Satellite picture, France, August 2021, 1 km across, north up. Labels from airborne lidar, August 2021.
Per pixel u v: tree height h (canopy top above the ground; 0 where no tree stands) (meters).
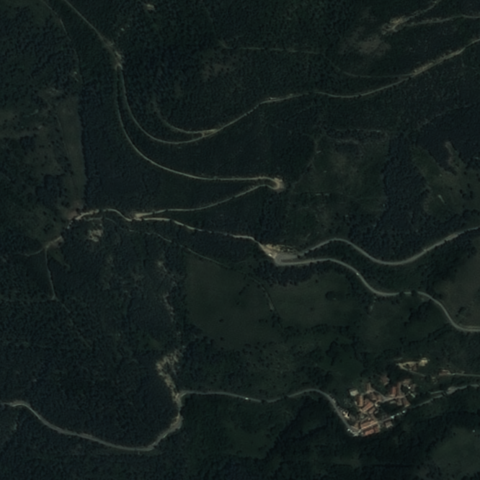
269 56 6
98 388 24
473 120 18
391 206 17
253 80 12
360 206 6
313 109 9
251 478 21
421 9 8
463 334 8
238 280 0
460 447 0
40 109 9
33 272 10
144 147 9
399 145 12
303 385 6
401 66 7
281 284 12
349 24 8
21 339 28
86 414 29
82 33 8
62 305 19
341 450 9
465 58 7
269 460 10
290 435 22
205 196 6
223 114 6
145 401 19
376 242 16
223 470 14
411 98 6
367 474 17
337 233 8
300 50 7
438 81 7
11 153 18
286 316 0
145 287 9
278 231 18
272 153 7
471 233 19
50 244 0
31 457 14
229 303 0
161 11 9
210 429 17
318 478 8
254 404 7
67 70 11
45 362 23
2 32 13
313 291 0
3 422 18
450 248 16
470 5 7
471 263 0
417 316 9
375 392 8
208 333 0
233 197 7
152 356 15
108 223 8
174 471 11
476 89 7
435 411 8
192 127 9
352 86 6
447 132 18
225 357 15
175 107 6
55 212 12
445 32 7
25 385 27
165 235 7
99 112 15
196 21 12
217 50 14
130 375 23
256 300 0
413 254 10
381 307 0
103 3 7
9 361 26
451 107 11
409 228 17
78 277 16
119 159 7
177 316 11
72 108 0
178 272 11
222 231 14
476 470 0
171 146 10
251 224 8
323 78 20
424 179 17
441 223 13
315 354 15
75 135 0
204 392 17
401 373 14
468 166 12
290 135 7
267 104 8
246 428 12
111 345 24
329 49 7
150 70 22
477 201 0
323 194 8
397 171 14
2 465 17
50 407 28
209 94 15
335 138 11
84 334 22
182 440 9
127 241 10
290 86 8
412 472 10
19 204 6
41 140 0
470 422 21
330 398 0
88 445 20
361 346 13
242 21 13
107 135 20
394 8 6
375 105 8
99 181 11
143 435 23
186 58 22
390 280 7
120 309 14
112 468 10
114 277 10
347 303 0
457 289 0
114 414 8
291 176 5
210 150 9
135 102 21
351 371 0
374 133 9
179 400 0
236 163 7
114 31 7
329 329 14
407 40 10
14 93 9
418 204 15
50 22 8
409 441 11
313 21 8
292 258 0
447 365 8
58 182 11
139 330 13
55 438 22
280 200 10
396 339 0
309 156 9
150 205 6
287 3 8
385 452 23
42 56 10
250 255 7
